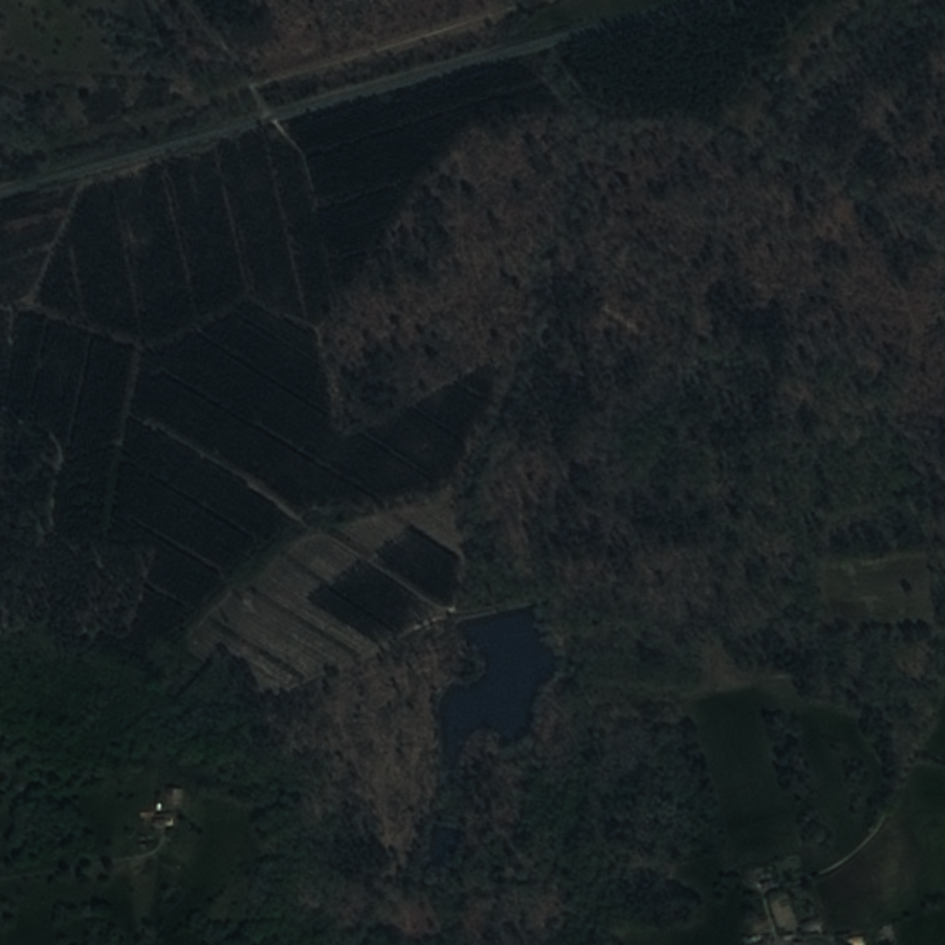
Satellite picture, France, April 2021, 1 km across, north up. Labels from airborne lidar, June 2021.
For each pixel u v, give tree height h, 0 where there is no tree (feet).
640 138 27
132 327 29
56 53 19
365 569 28
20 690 40
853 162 33
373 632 26
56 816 40
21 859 46
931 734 32
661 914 66
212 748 65
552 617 65
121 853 0
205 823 0
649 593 65
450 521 0
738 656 62
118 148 33
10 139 49
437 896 44
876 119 32
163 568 28
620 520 41
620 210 35
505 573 81
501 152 46
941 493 64
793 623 60
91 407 32
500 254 26
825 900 0
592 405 77
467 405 35
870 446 63
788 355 62
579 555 70
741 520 62
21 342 23
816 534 68
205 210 24
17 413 24
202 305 32
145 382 29
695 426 38
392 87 0
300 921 45
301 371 28
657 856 58
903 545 48
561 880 57
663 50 56
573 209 60
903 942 0
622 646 57
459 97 29
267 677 0
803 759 27
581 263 44
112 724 42
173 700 26
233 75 51
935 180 29
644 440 58
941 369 34
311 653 0
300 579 0
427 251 46
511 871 31
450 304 24
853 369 45
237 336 30
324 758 46
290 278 23
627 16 0
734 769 0
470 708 0
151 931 54
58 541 29
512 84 30
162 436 32
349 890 33
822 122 70
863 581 0
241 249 28
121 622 47
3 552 44
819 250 42
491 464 54
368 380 50
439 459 27
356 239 29
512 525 64
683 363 50
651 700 20
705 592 43
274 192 26
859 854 0
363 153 30
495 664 0
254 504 31
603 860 57
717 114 54
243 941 52
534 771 31
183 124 26
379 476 34
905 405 31
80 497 27
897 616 0
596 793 52
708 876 0
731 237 34
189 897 0
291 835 49
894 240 61
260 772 49
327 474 30
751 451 45
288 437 36
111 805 0
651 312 21
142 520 32
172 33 67
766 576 73
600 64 56
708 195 36
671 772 35
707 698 0
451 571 32
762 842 0
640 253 45
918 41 73
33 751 44
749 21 44
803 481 60
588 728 42
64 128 56
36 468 81
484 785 42
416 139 32
